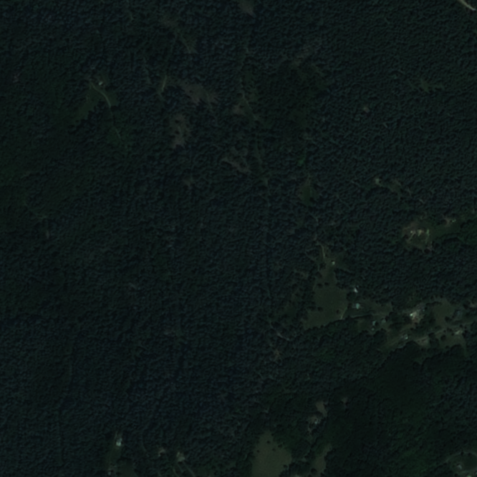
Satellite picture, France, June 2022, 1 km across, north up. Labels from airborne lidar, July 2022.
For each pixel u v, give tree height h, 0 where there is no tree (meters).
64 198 24
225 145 11
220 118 12
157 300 31
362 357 20
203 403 27
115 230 13
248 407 27
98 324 28
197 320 27
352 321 19
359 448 26
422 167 26
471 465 0
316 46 22
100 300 16
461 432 16
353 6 23
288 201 6
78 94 22
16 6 23
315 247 26
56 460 25
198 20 29
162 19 24
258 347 23
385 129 26
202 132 17
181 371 29
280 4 23
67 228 19
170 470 18
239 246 25
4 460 18
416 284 14
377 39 19
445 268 22
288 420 27
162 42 9
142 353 12
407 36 25
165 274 27
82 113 0
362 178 23
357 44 23
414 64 24
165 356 26
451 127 27
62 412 12
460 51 21
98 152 18
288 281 16
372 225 21
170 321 32
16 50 33
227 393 24
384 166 27
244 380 12
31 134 16
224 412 26
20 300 26
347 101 22
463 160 25
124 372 24
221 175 20
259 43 24
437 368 22
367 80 20
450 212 28
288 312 0
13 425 26
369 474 17
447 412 24
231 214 20
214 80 26
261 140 12
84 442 13
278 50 24
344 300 0
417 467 19
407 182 25
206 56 28
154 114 33
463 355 16
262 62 22
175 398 30
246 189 25
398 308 8
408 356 19
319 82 8
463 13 20
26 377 21
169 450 25
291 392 13
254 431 28
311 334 15
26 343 25
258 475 0
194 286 24
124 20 27
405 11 23
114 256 25
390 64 22
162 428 17
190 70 24
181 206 26
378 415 6
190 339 22
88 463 20
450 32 20
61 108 22
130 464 22
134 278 32
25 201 23
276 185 27
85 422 21
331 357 16
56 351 29
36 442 23
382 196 29
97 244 16
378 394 21
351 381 20
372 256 21
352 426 29
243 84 6
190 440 24
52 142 26
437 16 22
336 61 25
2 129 25
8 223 21
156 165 30
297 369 25
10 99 16
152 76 9
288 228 26
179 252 31
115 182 29
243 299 18
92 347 22
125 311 25
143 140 26
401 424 13
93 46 20
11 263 29
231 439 23
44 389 25
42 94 25
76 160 24
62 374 23
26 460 21
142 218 26
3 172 21
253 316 32
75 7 26
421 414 19
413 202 23
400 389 20
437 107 23
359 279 10
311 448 17
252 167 13
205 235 24
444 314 0
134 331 20
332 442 16
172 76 12
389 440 14
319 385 36
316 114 25
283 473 11
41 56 25
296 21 22
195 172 18
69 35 26
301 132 11
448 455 20
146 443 16
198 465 15
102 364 29
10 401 21
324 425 22
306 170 7
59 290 25
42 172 34
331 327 14
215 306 11
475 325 11
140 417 26
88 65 27
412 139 19
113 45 26
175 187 31
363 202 20
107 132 16
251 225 22
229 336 24
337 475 30
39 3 23
